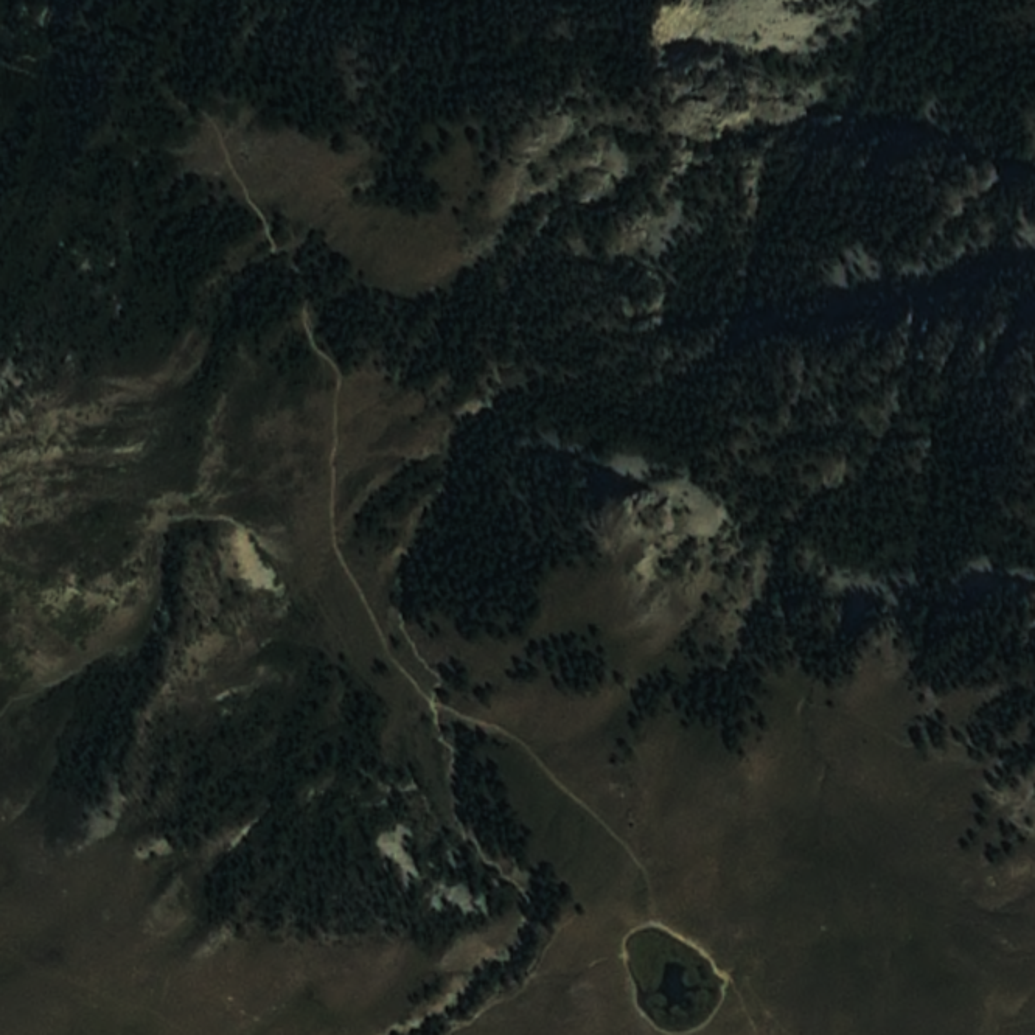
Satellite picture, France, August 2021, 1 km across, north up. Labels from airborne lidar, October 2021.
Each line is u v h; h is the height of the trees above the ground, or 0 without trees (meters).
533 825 0
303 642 0
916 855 0
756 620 11
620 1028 0
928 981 0
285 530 0
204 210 8
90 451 0
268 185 0
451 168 0
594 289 8
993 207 8
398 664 0
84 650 0
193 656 0
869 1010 0
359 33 11
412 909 10
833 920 0
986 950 0
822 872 0
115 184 12
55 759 0
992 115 18
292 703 0
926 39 22
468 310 16
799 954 0
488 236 0
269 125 0
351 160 0
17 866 0
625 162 0
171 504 0
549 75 9
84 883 0
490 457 12
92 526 0
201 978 0
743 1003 0
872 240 9
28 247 0
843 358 13
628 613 0
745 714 16
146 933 0
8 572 0
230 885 11
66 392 0
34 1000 0
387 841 0
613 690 0
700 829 0
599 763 0
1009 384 6
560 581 0
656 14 10
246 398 0
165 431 0
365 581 0
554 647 8
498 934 0
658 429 18
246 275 9
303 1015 0
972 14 6
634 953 0
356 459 0
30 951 0
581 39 10
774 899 0
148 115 12
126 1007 0
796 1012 0
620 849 0
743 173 10
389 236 0
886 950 0
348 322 9
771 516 8
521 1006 0
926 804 0
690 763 0
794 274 13
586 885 0
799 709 0
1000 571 10
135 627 0
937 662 6
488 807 13
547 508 12
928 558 10
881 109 7
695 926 0
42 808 0
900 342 11
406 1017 0
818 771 0
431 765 0
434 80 9
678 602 0
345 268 18
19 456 0
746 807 0
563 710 0
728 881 0
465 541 12
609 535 0
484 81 13
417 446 0
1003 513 15
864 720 0
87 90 11
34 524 0
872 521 8
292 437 0
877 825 0
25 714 0
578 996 0
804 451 10
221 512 0
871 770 0
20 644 0
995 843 0
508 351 14
